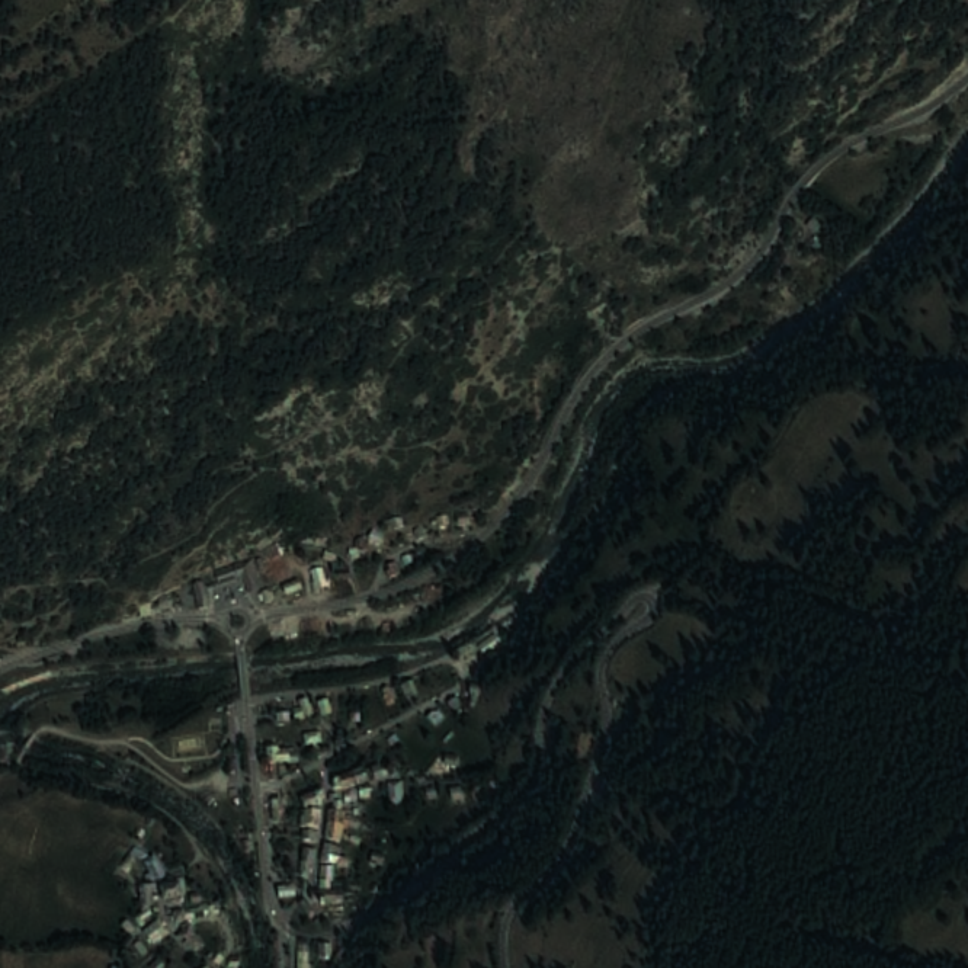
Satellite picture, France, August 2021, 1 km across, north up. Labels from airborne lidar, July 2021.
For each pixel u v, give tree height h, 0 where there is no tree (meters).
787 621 25
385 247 12
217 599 0
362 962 9
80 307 0
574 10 16
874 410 0
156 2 15
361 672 8
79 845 0
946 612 21
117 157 13
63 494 10
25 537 15
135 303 9
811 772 23
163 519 12
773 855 26
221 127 17
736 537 0
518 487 0
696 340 9
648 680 0
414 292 7
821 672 13
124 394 12
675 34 0
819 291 7
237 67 0
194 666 0
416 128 14
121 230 17
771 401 13
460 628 0
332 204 17
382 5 10
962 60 13
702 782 21
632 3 0
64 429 6
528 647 13
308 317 9
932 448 13
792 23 14
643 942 8
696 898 22
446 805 0
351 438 0
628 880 0
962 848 23
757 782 22
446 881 22
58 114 13
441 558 10
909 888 19
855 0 8
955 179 13
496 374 0
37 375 0
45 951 6
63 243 12
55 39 9
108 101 12
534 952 0
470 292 16
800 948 31
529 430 12
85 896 0
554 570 12
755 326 13
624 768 22
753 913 30
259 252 10
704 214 0
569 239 0
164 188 14
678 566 15
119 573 7
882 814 21
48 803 0
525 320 0
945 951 0
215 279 9
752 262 0
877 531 23
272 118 13
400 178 14
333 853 0
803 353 29
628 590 11
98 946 9
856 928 20
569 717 0
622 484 14
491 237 8
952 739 20
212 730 0
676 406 18
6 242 13
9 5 13
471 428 0
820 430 0
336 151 16
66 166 15
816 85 8
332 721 0
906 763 23
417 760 0
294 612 0
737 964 25
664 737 9
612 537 8
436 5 0
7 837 0
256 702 0
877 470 0
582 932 0
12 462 7
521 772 14
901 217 0
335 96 23
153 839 0
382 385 0
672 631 0
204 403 12
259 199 14
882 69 8
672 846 0
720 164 14
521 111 0
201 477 12
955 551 16
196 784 0
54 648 0
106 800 9
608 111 0
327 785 0
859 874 21
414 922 16
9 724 9
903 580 0
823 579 19
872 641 31
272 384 12
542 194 0
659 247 6
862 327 0
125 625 0
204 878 0
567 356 6
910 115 0
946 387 25
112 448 8
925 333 0
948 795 22
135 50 14
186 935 0
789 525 0
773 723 0
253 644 0
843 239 10
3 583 18
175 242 7
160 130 9
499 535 8
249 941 8
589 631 7
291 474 0
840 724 29
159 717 8
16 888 0
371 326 12
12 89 16
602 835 8
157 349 9
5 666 0
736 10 27
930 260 23
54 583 0
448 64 14
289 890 0
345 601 0
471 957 0
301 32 6
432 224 16
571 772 22
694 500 0
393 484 0
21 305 10
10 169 16
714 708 25
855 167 0
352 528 0
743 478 11
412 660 0
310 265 9
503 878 20
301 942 6
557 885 9
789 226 13
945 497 16
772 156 14
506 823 17
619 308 10
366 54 8
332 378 7
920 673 27
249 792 9
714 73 8
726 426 18
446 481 0
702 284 11
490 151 17
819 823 23
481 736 0
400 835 0
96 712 17
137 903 7
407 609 0
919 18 10
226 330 11
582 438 0
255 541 0
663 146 0
